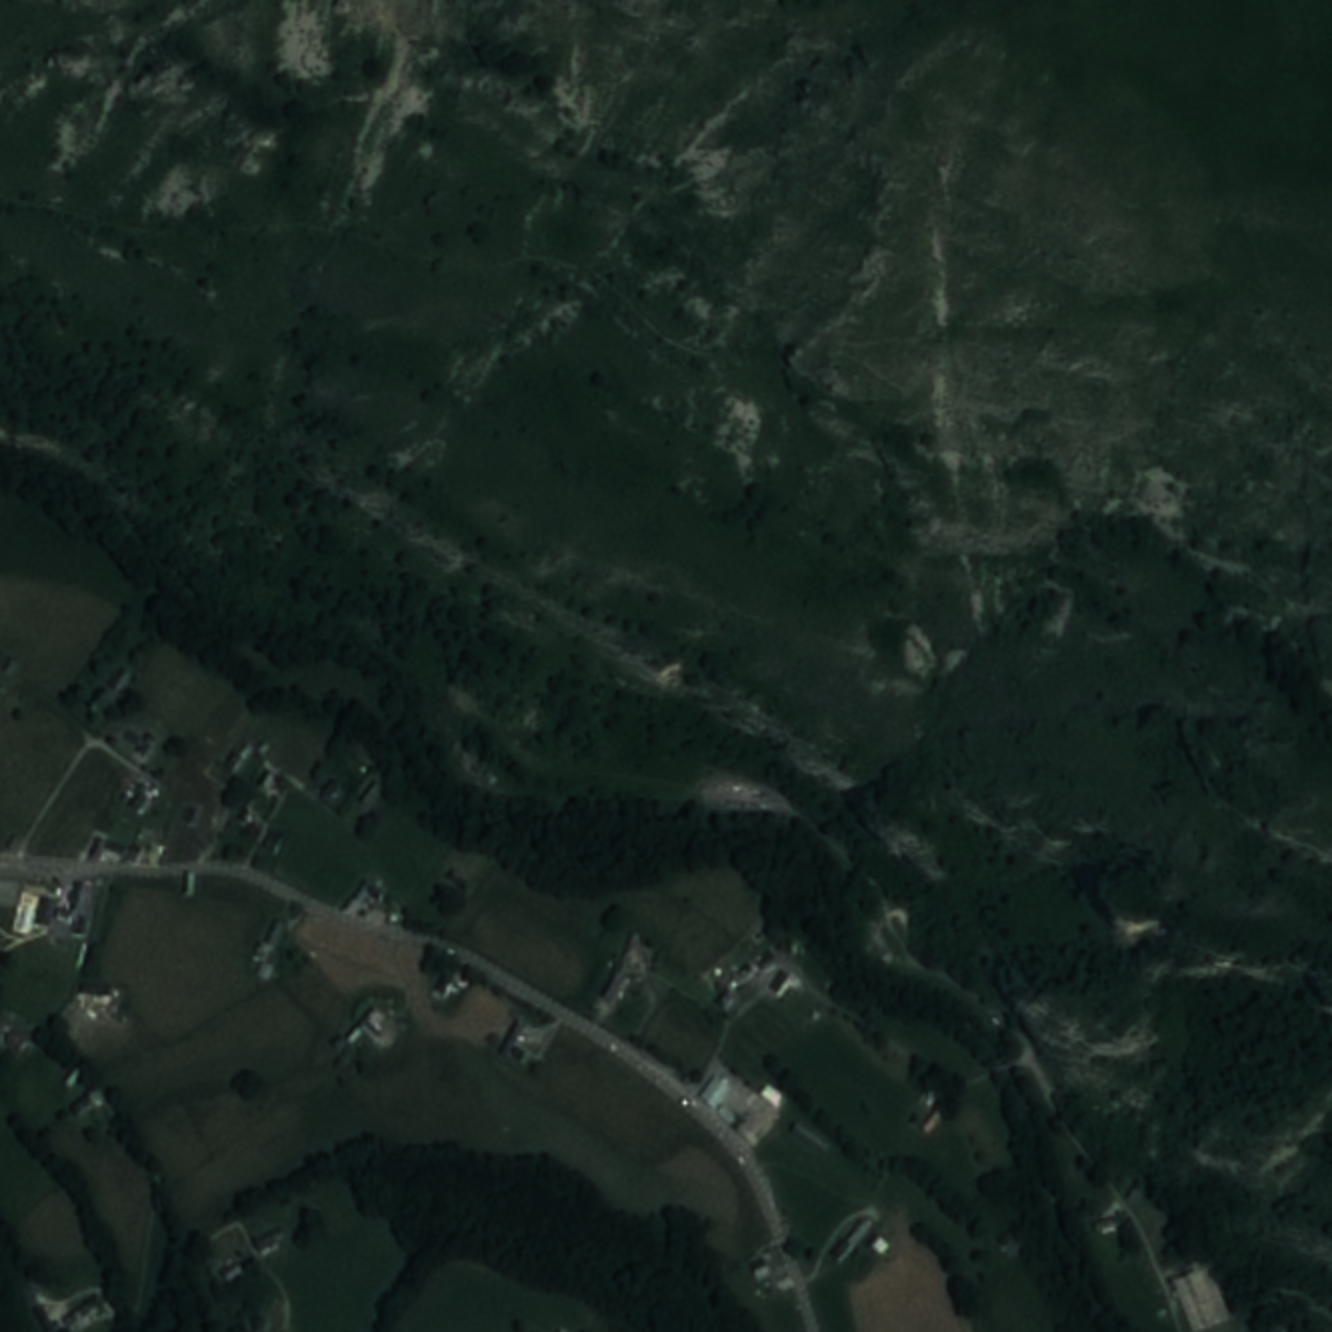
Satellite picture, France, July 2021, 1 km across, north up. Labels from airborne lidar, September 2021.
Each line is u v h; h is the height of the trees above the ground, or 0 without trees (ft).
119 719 38
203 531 28
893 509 27
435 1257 52
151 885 0
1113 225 0
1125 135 0
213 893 0
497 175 0
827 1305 0
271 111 23
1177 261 0
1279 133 0
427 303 0
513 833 39
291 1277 0
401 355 0
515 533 0
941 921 23
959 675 0
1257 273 0
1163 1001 40
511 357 23
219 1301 31
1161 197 0
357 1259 0
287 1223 0
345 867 0
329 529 42
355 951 0
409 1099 0
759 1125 0
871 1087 0
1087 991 30
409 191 0
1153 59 0
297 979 0
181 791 0
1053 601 39
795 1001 0
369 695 0
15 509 0
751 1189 0
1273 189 0
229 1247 0
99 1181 0
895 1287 0
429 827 30
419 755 60
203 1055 0
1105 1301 49
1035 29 0
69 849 0
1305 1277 43
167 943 0
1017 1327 0
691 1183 0
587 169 0
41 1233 0
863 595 22
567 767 0
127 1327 66
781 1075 32
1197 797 0
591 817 70
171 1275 52
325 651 69
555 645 0
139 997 0
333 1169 71
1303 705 56
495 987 30
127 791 0
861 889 47
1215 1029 18
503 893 0
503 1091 0
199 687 0
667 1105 0
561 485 0
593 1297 63
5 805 0
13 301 31
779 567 0
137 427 59
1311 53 0
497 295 0
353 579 0
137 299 27
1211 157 0
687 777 0
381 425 0
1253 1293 42
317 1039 0
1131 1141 21
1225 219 0
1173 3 0
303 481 54
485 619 38
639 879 79
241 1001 0
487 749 46
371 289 0
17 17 0
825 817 22
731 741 23
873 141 0
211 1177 0
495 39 28
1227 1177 23
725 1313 118
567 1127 0
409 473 32
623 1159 0
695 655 49
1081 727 0
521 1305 0
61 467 39
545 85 63
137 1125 53
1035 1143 59
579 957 0
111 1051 0
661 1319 74
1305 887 20
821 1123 53
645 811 64
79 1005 0
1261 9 0
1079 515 40
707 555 0
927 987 48
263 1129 0
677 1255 60
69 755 0
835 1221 0
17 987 0
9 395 40
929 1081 72
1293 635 22
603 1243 50
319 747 0
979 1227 64
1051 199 0
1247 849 22
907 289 0
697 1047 0
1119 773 0
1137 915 31
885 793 50
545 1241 54
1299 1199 34
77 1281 0
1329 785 0
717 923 0
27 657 0
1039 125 0
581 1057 0
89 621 0
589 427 0
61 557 0
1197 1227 32
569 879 98
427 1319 0
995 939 27
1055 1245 55
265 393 27
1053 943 32
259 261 31
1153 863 24
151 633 34
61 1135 0
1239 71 0
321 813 0
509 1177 79
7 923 0
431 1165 68
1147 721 34
